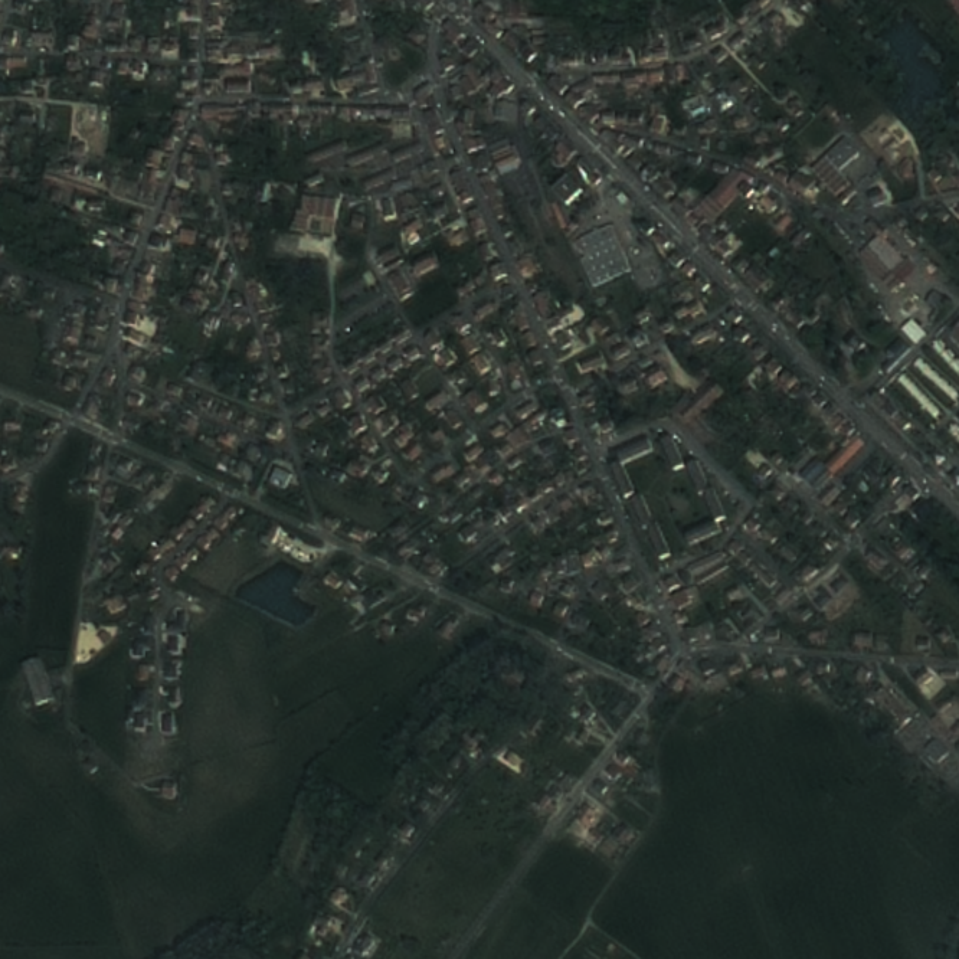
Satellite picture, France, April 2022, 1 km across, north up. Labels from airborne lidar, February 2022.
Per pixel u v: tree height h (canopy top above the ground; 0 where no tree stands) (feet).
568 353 0
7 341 0
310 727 0
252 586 0
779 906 0
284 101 0
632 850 0
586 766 0
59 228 30
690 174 27
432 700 19
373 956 0
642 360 27
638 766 0
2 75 0
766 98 21
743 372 23
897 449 0
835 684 26
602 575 0
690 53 0
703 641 0
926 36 0
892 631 0
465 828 0
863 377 0
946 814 0
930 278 0
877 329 44
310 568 0
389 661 0
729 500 0
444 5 0
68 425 0
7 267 0
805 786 0
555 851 0
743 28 0
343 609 0
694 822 0
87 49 0
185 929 0
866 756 0
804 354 0
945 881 0
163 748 0
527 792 0
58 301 0
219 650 0
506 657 64
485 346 0
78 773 0
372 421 0
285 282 31
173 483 0
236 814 0
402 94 0
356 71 0
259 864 0
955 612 0
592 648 25
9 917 0
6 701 0
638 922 0
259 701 0
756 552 0
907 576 0
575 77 0
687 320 0
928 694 0
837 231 38
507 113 0
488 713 71
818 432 0
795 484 0
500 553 0
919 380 0
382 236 0
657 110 0
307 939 0
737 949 0
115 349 0
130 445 0
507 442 0
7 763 0
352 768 0
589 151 0
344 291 0
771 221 0
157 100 0
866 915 0
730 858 0
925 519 87
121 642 0
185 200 45
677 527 22
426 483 0
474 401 0
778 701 0
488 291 0
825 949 0
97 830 0
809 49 0
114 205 0
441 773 0
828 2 52
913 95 0
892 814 0
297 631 0
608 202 0
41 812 0
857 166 0
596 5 69
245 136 19
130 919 0
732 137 0
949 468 0
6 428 0
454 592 0
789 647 0
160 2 0
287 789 0
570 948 0
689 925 0
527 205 0
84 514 0
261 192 0
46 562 0
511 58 0
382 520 0
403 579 0
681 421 0
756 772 0
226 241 0
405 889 0
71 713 0
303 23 0
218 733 0
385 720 0
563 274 0
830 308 34
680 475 0
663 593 0
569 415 26
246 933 24
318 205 0
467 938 0
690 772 0
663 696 37
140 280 0
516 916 0
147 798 0
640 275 0
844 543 0
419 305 0
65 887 0
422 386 0
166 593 0
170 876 0
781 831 0
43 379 27
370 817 54
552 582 0
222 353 0
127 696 0
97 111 0
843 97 0
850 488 27
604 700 19
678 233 0
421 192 24
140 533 0
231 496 0
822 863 0
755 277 0
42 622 0
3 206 26
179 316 0
